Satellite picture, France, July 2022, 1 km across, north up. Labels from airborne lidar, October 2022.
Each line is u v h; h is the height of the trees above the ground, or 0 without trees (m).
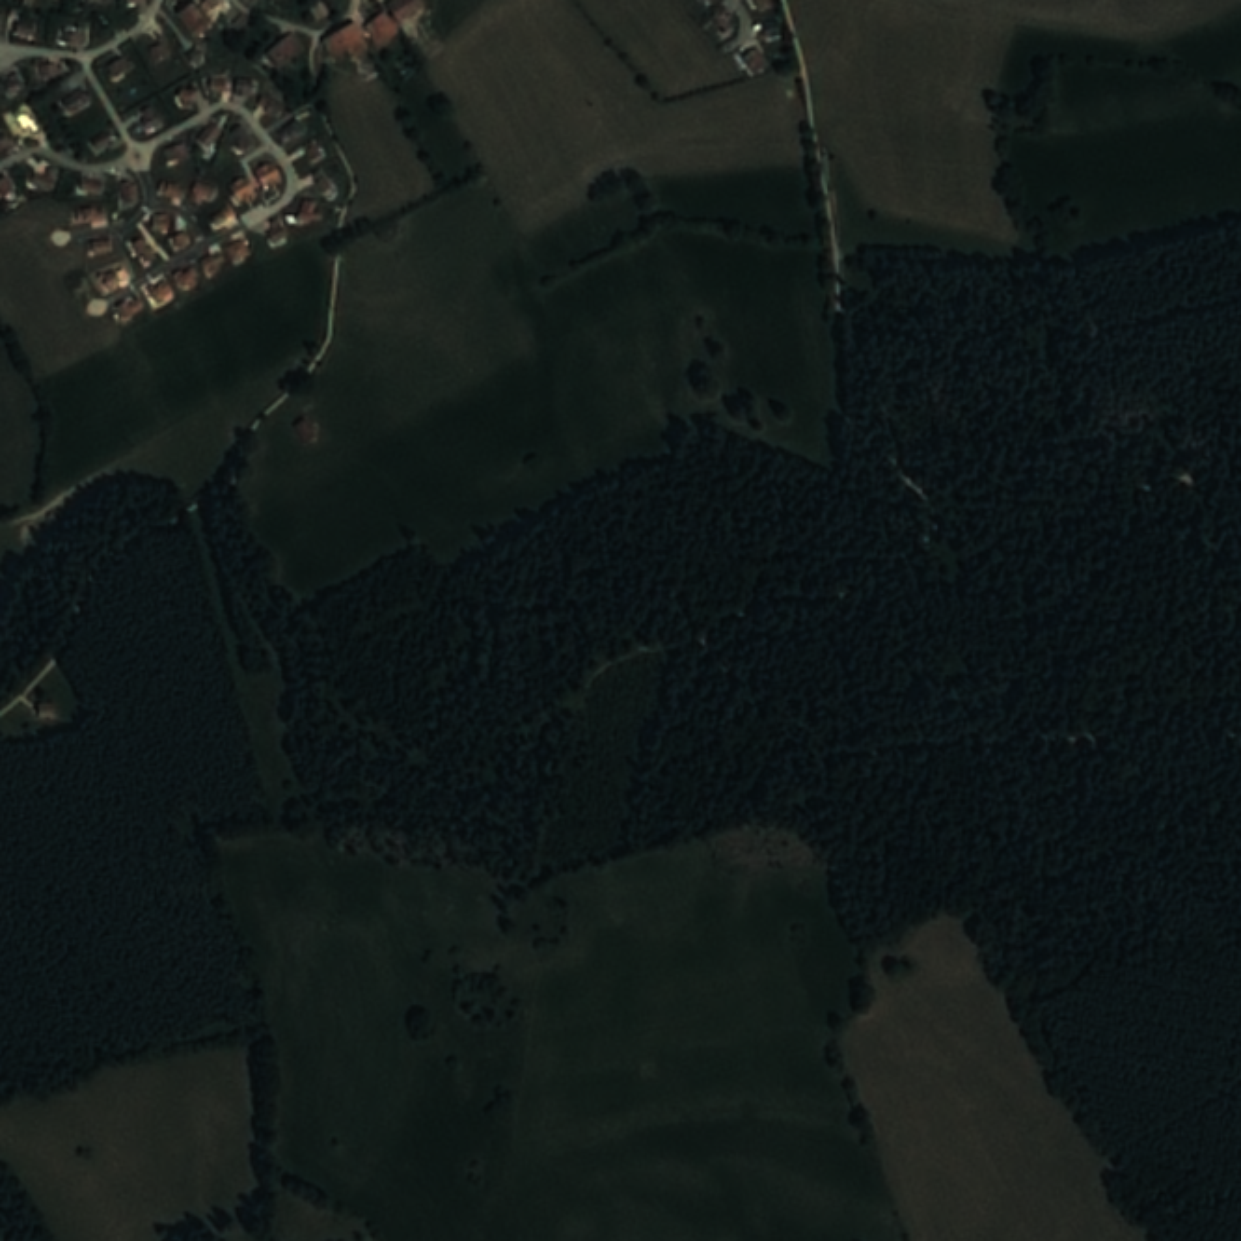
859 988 18
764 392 0
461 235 0
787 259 0
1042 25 0
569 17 0
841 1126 0
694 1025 0
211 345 0
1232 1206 22
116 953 19
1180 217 0
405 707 13
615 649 20
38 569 30
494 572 23
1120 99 0
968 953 0
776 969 0
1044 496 29
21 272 0
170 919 20
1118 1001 19
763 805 29
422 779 16
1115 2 0
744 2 0
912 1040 0
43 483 10
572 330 0
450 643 17
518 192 0
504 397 0
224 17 0
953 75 0
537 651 13
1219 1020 15
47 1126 0
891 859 21
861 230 0
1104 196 0
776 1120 0
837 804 27
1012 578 32
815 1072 0
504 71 0
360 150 0
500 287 0
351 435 0
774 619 32
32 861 20
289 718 24
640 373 0
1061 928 20
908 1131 0
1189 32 0
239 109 0
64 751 23
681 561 25
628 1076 0
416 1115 0
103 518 32
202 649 21
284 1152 0
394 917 0
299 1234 0
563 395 0
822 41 0
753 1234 0
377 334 0
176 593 21
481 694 20
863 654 31
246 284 0
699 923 0
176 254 0
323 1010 0
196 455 0
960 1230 0
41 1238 25
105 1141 0
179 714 23
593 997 0
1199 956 17
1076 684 31
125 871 21
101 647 22
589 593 31
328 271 0
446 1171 0
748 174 0
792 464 21
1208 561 31
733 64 0
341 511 0
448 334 0
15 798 21
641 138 0
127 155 0
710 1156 0
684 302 0
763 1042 0
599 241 0
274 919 0
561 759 8
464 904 0
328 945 0
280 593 16
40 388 7
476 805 33
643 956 0
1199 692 18
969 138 0
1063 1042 18
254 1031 15
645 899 0
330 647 6
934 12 0
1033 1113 0
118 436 0
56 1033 22
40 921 23
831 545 28
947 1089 0
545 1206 0
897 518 34
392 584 12
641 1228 0
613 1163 0
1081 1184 0
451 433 0
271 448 0
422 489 0
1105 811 31
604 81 0
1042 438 11
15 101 0
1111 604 25
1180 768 36
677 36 0
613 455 0
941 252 14
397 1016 0
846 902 31
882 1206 0
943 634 34
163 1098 0
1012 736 19
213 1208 0
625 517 31
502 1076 0
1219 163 0
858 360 27
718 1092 0
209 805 19
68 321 0
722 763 14
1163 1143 20
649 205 18
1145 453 29
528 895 17
